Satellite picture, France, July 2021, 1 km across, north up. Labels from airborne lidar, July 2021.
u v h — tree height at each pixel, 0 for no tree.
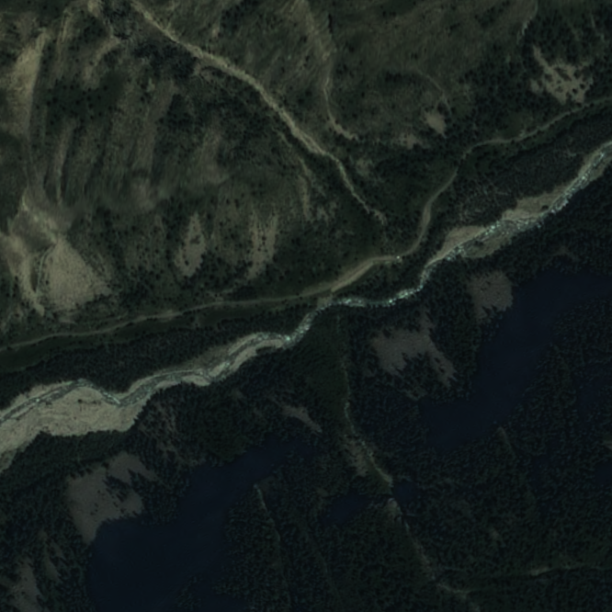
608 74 11
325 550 13
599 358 21
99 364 11
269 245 0
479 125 22
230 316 0
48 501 29
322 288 0
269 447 13
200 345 12
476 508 8
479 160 9
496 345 24
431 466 9
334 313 7
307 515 15
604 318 16
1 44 0
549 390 10
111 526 0
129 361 8
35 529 28
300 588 10
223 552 11
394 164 11
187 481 29
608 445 0
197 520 24
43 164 0
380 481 0
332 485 20
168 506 26
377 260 0
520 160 17
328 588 11
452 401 16
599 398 8
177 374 0
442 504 11
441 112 21
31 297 0
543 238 13
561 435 11
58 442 14
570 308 13
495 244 0
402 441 17
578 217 25
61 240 0
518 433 8
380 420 21
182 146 9
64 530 21
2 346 7
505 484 7
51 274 0
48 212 0
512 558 8
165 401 11
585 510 7
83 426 0
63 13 0
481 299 0
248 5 13
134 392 0
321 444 23
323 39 0
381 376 14
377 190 8
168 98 0
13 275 0
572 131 16
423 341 0
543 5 7
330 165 13
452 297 15
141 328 0
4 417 0
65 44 0
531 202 0
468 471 15
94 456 7
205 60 0
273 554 7
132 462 0
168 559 24
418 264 12
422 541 6
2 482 11
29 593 0
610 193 17
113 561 0
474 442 13
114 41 0
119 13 9
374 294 7
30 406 0
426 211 0
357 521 14
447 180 0
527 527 8
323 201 6
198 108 9
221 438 9
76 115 14
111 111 9
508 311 0
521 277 12
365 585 8
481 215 8
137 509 0
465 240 0
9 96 0
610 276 19
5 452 0
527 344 11
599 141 11
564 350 23
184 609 13
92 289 0
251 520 19
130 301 7
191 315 8
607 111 12
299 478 16
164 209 8
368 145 7
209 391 6
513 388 0
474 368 11
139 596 26
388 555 18
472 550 7
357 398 8
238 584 20
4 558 16
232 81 9
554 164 8
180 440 11
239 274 14
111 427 0
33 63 0
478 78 7
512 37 9
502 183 10
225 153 6
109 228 8
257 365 10
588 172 0
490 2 0
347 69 13
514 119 0
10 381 6
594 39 8
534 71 15
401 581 24
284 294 0
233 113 11
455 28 8
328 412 7
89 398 0
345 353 5
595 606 8
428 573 0
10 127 0
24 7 0
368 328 23
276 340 0
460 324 6
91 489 0
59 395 0
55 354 9
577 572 6
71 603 21
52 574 0
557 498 18
